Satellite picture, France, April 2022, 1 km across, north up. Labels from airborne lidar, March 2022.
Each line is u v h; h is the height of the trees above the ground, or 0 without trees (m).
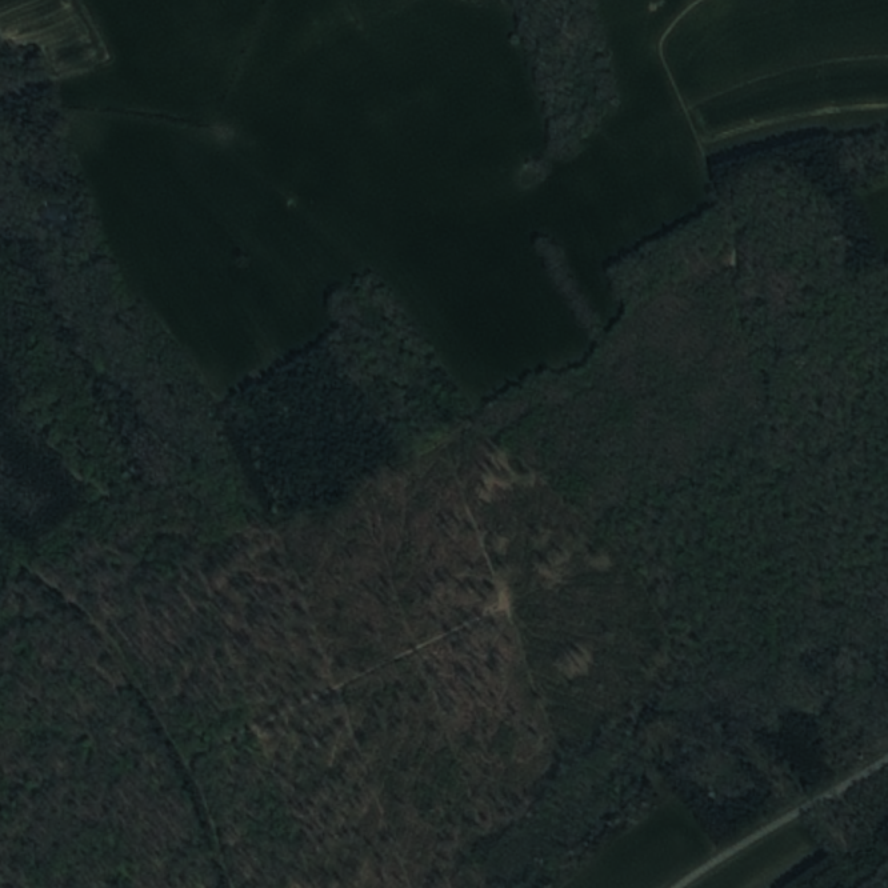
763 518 26
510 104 0
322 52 0
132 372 27
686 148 0
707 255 24
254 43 0
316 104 0
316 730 31
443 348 0
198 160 0
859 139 17
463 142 0
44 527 18
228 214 0
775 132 0
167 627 31
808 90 0
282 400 22
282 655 0
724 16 0
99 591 29
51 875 31
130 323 25
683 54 0
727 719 27
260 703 30
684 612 29
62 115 14
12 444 21
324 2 0
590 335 14
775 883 0
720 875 0
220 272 0
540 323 0
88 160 0
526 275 0
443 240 0
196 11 0
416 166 0
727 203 16
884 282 28
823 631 30
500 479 34
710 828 22
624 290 23
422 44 0
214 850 24
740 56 0
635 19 0
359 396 17
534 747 0
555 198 0
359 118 0
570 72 14
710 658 26
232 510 13
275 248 0
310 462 23
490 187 0
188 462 30
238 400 17
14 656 29
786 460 23
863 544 28
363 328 21
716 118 0
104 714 29
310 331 0
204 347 0
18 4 0
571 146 21
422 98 0
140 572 16
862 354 22
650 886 0
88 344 27
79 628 31
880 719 27
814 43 0
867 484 25
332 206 0
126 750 27
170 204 0
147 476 21
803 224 23
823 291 25
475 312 0
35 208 16
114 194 0
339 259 0
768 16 0
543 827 20
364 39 0
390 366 26
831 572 28
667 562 27
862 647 21
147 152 0
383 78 0
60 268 24
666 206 0
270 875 30
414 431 18
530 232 0
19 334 23
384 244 0
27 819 29
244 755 26
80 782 29
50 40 0
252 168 0
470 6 0
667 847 0
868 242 13
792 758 12
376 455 20
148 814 32
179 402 26
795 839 0
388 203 0
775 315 27
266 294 0
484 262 0
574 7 23
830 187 23
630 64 0
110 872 28
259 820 27
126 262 0
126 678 27
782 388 24
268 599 0
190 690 29
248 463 9
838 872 19
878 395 25
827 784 11
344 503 21
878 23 0
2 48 13
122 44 0
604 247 0
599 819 32
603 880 0
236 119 0
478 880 30
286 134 0
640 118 0
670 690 27
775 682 27
